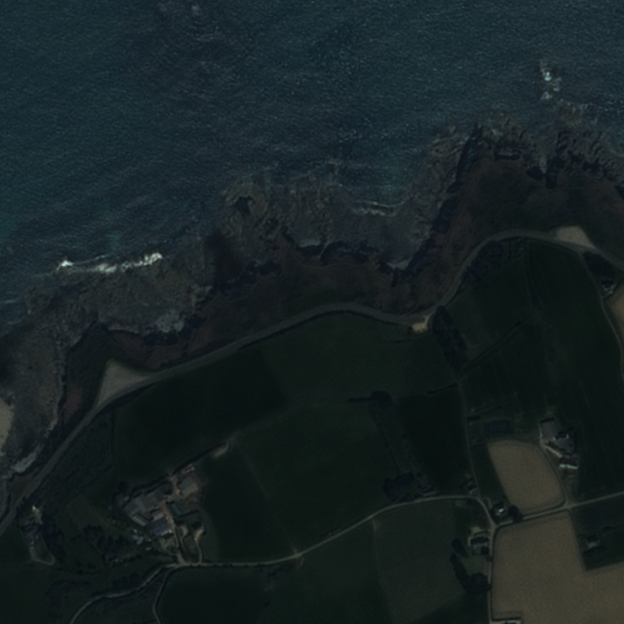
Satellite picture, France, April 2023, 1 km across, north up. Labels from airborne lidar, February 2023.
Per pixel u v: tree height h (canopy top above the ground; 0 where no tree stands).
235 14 0
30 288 0
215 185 0
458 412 0
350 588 0
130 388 0
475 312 0
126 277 0
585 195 0
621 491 0
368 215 0
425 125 0
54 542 22
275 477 0
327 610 0
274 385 0
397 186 0
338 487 0
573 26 0
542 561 0
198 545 0
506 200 0
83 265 0
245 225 0
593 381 0
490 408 0
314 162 0
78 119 0
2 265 0
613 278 8
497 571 0
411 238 0
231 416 0
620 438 0
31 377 0
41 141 0
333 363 0
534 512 0
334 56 0
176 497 0
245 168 0
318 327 0
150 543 7
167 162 0
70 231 0
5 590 0
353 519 0
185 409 0
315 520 0
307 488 0
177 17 0
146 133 0
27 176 0
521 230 0
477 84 0
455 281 0
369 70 0
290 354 0
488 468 0
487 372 0
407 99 0
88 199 0
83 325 0
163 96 0
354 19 0
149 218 0
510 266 0
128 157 0
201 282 0
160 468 0
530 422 0
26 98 0
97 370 0
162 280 0
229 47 0
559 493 0
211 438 0
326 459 0
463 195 0
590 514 0
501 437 0
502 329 0
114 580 0
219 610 0
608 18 0
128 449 0
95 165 0
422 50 0
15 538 0
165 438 0
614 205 0
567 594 0
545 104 0
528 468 0
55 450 0
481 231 0
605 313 0
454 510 0
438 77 0
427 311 0
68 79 0
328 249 0
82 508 0
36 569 0
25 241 0
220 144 0
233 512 0
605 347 0
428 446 0
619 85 0
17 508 0
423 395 0
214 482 0
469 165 0
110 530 0
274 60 0
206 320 0
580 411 0
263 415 0
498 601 0
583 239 0
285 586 0
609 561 0
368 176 0
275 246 0
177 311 0
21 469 0
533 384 0
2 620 0
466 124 0
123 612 0
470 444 0
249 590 0
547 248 0
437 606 0
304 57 0
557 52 0
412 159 0
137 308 0
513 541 0
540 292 0
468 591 15
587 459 0
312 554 0
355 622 0
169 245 0
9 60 0
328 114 0
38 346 0
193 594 0
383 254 0
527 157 0
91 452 0
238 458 0
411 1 0
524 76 0
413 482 12
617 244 0
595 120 0
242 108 0
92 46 0
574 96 0
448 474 0
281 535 0
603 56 0
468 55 0
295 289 0
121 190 0
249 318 0
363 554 0
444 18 0
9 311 0
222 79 0
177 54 0
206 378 0
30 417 0
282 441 0
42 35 0
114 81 0
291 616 0
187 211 0
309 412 0
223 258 0
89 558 0
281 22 0
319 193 0
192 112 0
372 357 0
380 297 0
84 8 0
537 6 0
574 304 0
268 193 0
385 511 0
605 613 0
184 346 0
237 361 0
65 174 0
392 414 0
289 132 0
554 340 0
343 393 0
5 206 0
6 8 0
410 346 0
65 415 0
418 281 0
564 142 0
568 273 0
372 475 0
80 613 0
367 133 0
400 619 0
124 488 9
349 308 0
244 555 0
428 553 0
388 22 0
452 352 18
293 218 0
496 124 0
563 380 0
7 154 0
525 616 0
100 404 0
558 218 0
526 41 0
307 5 0
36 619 0
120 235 0
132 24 0
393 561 0
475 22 0
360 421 0
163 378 0
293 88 0
